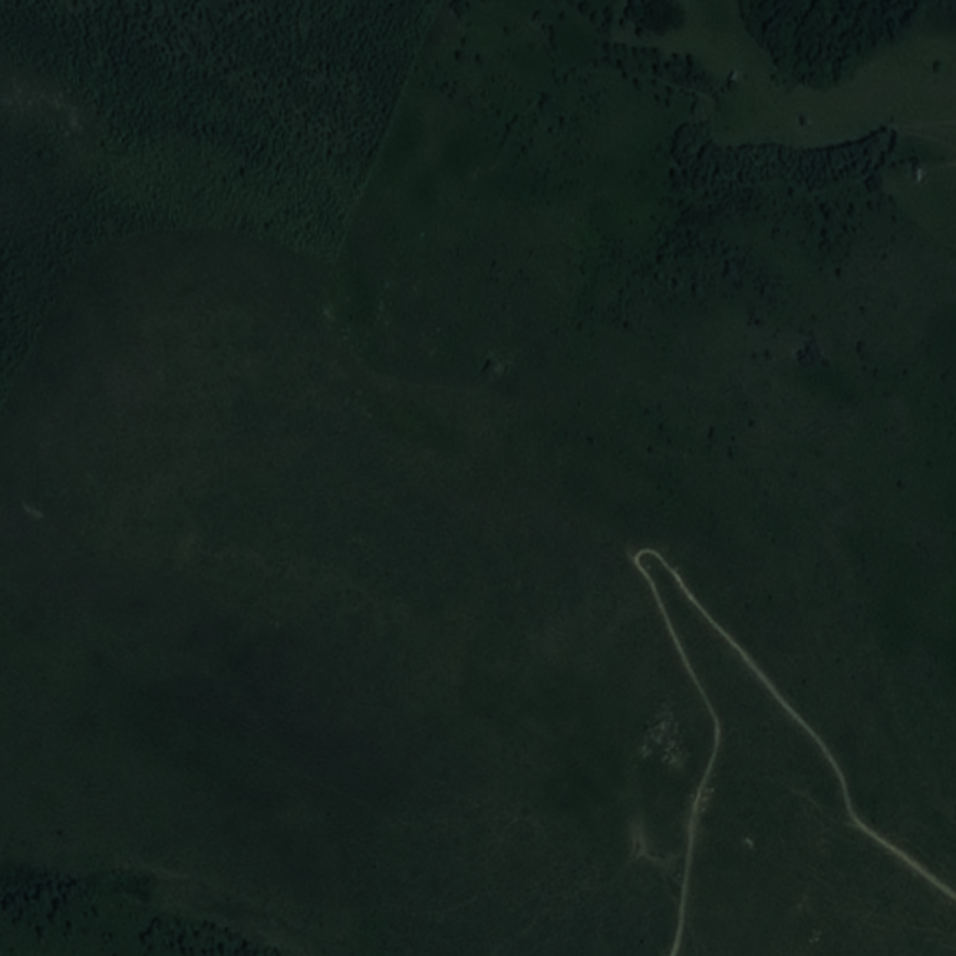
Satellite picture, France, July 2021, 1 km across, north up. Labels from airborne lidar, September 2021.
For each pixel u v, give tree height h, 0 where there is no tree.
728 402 0
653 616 0
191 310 0
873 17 9
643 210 0
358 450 0
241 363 0
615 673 0
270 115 11
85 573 0
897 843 0
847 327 0
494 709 0
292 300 0
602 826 0
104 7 10
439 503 0
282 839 0
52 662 0
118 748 0
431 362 0
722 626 0
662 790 0
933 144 0
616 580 0
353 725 0
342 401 0
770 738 0
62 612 0
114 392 0
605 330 0
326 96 9
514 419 0
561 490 0
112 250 0
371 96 9
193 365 0
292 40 6
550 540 0
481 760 0
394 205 0
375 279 0
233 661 0
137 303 0
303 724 0
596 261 0
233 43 6
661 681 0
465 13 20
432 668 0
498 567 0
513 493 0
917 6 12
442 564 0
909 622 0
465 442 0
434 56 0
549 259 0
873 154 19
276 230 8
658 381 0
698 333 0
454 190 0
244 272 0
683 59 19
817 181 17
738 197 11
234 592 0
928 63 0
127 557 0
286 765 0
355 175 7
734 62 0
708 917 0
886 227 0
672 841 0
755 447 0
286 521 0
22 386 0
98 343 0
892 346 0
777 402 0
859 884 0
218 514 0
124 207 6
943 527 0
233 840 0
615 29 10
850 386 0
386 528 0
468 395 0
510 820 0
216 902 0
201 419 0
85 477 0
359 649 0
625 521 0
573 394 0
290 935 0
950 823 0
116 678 0
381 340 0
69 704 0
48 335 0
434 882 0
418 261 0
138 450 0
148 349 0
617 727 0
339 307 0
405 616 0
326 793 0
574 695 0
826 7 24
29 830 0
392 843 0
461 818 0
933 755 0
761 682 0
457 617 0
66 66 10
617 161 0
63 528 0
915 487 0
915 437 0
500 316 0
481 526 0
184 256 0
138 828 0
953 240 0
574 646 0
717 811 0
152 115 7
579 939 0
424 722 0
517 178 0
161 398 0
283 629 0
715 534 0
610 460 0
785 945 0
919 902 0
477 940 0
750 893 0
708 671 0
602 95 7
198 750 0
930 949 0
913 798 0
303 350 0
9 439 0
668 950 0
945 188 0
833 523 0
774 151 13
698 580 0
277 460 0
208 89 12
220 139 11
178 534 0
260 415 0
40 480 0
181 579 0
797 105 0
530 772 0
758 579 0
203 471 0
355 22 10
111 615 0
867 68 0
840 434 0
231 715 0
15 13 8
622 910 0
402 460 0
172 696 0
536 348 0
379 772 0
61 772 0
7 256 8
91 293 0
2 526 0
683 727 0
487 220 0
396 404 0
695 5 0
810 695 0
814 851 0
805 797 0
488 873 0
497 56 0
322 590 0
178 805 0
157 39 11
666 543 0
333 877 0
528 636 0
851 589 0
